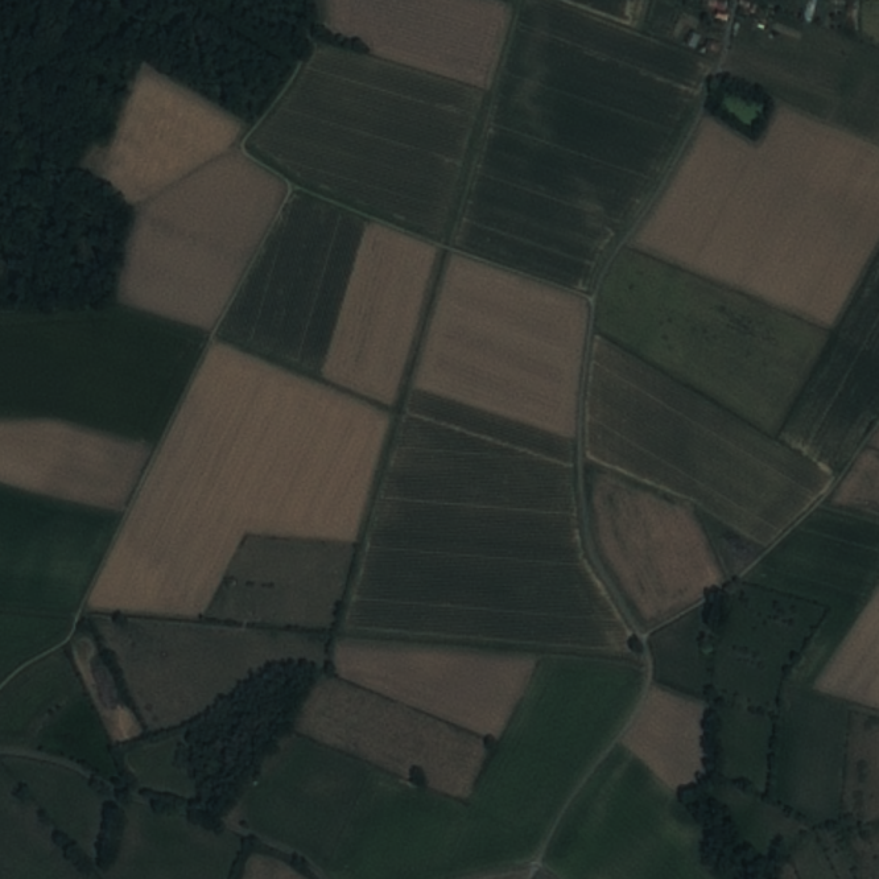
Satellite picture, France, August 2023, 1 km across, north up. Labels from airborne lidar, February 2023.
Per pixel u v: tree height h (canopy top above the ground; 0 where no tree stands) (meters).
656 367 0
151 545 0
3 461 0
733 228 0
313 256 0
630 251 0
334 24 0
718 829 19
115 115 15
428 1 0
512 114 0
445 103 0
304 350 0
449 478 0
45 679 0
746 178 0
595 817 0
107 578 0
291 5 22
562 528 0
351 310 0
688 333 0
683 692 0
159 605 0
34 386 0
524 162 0
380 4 0
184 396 0
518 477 0
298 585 0
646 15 0
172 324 0
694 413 0
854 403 0
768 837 0
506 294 0
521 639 0
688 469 0
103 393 0
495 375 0
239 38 16
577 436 0
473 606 0
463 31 0
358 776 0
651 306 0
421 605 0
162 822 0
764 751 0
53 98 18
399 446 0
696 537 0
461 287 0
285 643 0
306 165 0
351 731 0
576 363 0
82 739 0
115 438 0
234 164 0
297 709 14
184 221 0
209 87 21
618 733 0
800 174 0
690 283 0
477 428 0
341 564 0
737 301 0
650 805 0
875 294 0
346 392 0
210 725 10
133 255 0
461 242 0
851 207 0
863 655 0
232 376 0
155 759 0
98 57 29
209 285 0
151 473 0
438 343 0
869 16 0
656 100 0
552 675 0
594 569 0
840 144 0
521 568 0
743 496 0
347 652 0
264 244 0
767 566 0
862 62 0
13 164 26
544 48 0
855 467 0
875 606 0
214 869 0
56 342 0
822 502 0
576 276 0
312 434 0
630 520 0
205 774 9
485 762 0
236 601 0
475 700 0
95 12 29
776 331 0
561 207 0
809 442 0
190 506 0
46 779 0
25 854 0
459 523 0
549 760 0
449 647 0
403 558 0
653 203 0
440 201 0
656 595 0
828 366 0
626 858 0
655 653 0
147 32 21
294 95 0
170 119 0
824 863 0
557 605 0
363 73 0
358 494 0
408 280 0
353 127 0
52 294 18
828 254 0
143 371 0
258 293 0
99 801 0
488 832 0
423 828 0
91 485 0
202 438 0
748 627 0
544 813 0
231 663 0
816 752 0
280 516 0
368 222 0
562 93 0
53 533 0
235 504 0
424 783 10
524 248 0
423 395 0
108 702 0
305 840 0
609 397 0
